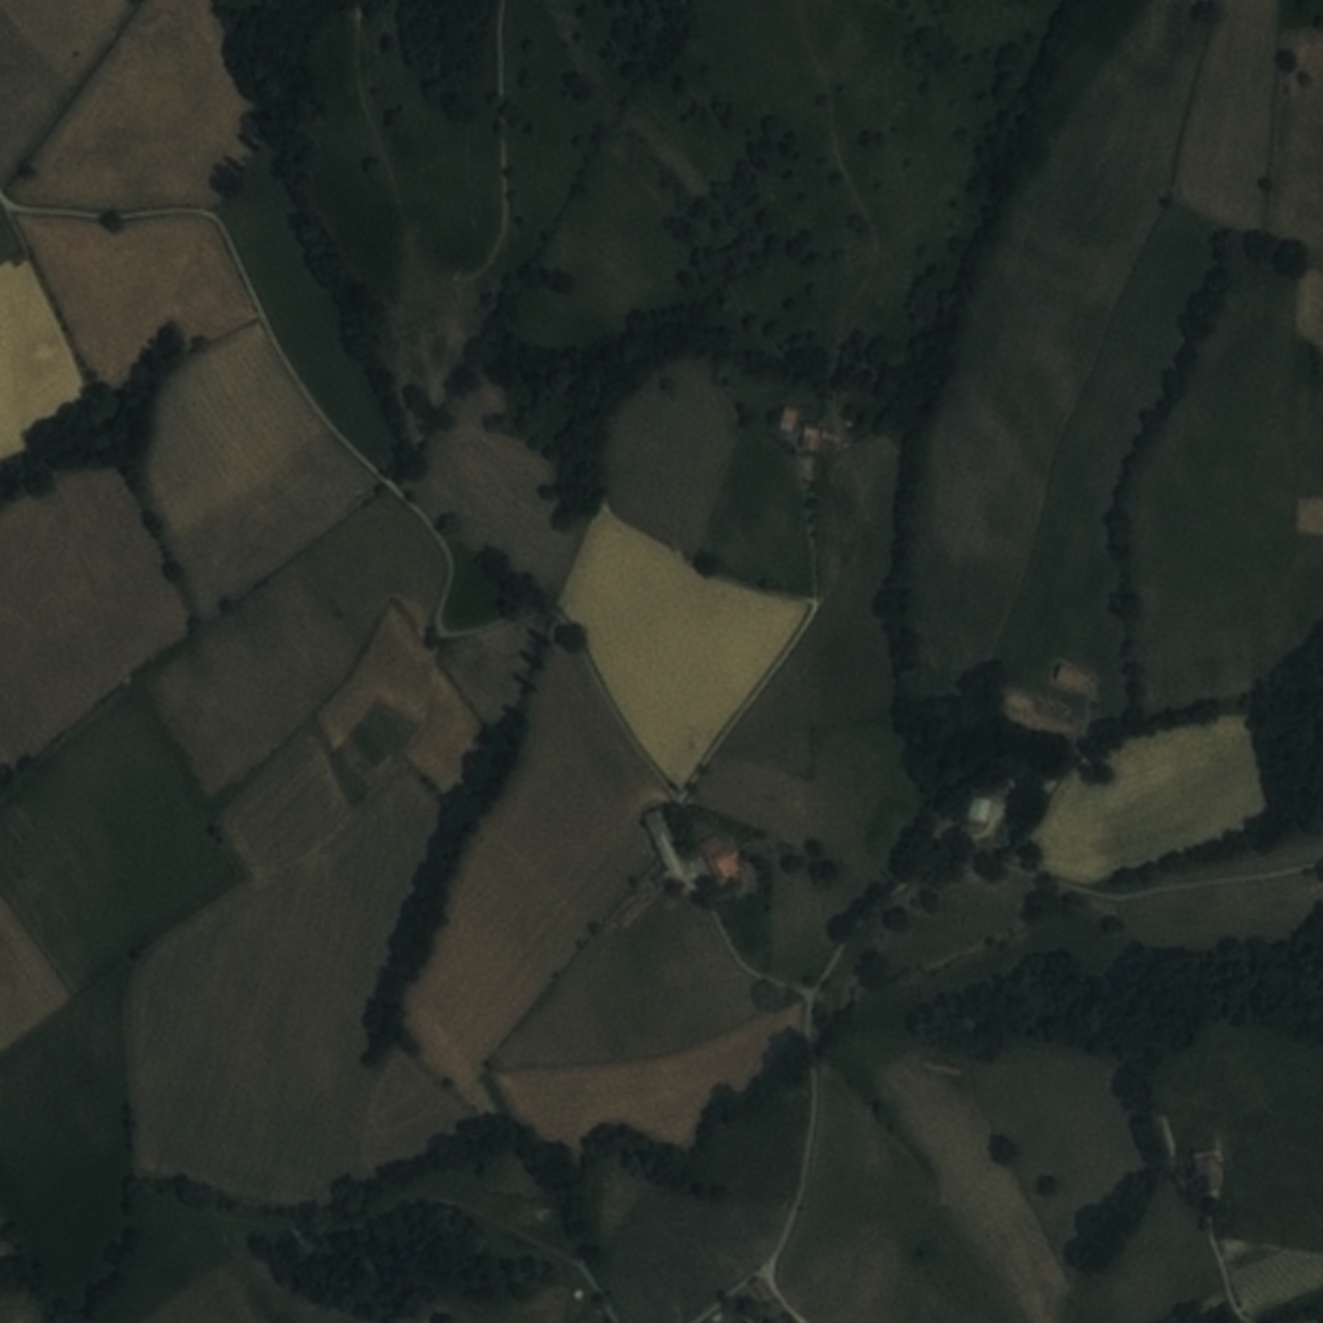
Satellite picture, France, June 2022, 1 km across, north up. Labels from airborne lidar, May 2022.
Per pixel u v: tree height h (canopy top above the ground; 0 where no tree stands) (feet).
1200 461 0
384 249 0
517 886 0
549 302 0
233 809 0
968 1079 0
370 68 0
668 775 0
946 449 0
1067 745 53
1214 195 0
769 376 41
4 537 0
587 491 69
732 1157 0
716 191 35
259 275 0
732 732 0
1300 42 0
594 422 62
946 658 0
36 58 0
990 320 0
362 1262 28
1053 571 0
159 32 0
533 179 0
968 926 0
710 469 0
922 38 49
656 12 44
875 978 71
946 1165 0
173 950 0
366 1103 0
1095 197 0
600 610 0
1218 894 0
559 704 0
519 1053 0
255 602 0
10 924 0
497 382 50
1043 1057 0
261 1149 0
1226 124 0
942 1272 0
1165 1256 0
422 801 0
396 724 0
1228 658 0
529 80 36
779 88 0
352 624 0
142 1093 0
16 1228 41
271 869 0
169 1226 0
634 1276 0
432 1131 0
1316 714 78
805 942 0
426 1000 0
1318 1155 0
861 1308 0
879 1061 0
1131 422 0
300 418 0
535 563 0
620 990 0
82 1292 0
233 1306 0
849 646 0
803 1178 0
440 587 0
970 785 53
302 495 0
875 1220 0
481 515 0
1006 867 35
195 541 0
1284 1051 0
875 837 0
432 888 68
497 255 0
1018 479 0
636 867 0
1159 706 0
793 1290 0
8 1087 0
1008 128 50
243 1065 0
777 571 0
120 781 0
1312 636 24
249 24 53
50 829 0
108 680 0
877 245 0
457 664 0
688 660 0
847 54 0
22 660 0
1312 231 0
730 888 19
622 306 0
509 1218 0
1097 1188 0
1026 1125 0
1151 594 0
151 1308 0
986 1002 83
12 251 0
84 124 0
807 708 0
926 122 0
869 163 0
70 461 66
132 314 0
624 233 0
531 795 0
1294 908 0
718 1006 0
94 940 0
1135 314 0
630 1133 36
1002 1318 0
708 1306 0
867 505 0
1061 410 0
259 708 0
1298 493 0
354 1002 0
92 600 0
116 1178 0
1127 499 39
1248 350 0
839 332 0
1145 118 0
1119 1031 76
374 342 60
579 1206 58
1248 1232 0
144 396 30
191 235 0
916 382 69
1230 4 0
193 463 0
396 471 25
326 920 0
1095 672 0
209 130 0
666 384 23
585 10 34
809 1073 57
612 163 0
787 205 0
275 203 0
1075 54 0
